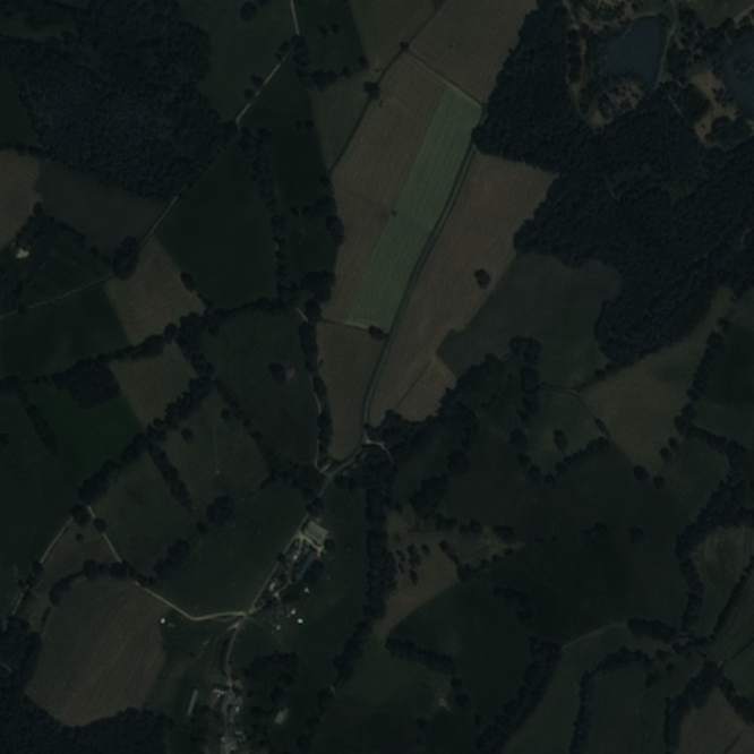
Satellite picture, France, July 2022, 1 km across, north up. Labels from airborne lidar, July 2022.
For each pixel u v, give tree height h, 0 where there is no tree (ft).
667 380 0
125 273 62
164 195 100
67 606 0
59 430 0
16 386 57
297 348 0
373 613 70
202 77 30
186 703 0
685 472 0
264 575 0
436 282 0
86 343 0
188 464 0
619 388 0
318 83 70
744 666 0
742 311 0
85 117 94
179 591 0
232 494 0
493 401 22
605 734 0
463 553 0
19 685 67
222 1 0
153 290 0
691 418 62
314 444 0
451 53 0
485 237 0
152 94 79
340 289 0
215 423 0
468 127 0
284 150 0
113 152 81
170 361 0
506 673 0
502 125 22
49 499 0
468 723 0
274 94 0
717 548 0
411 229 0
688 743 0
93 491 73
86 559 0
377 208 0
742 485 78
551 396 0
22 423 0
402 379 0
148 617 0
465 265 0
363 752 0
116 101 71
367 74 0
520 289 0
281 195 0
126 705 0
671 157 83
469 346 0
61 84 89
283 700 70
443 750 0
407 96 0
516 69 58
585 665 0
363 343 0
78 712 0
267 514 0
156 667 0
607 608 0
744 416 0
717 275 89
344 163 0
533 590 0
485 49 0
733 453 75
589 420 0
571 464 48
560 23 58
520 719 70
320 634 0
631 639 0
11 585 0
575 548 0
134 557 0
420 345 0
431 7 0
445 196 0
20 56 70
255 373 0
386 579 64
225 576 0
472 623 0
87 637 0
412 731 0
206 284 0
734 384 0
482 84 0
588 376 0
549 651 69
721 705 0
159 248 0
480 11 0
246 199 0
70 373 47
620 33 0
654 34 0
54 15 28
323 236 0
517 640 0
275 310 53
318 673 0
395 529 0
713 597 0
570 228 56
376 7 0
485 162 0
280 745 0
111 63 54
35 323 0
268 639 0
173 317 0
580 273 0
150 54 0
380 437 21
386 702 0
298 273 0
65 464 0
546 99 50
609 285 0
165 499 0
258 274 0
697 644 52
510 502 0
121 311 0
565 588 0
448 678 0
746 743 0
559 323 0
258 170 64
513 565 0
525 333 0
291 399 0
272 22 0
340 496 0
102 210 0
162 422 33
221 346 0
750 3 0
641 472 66
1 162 0
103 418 0
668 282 49
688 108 27
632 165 33
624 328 28
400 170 0
